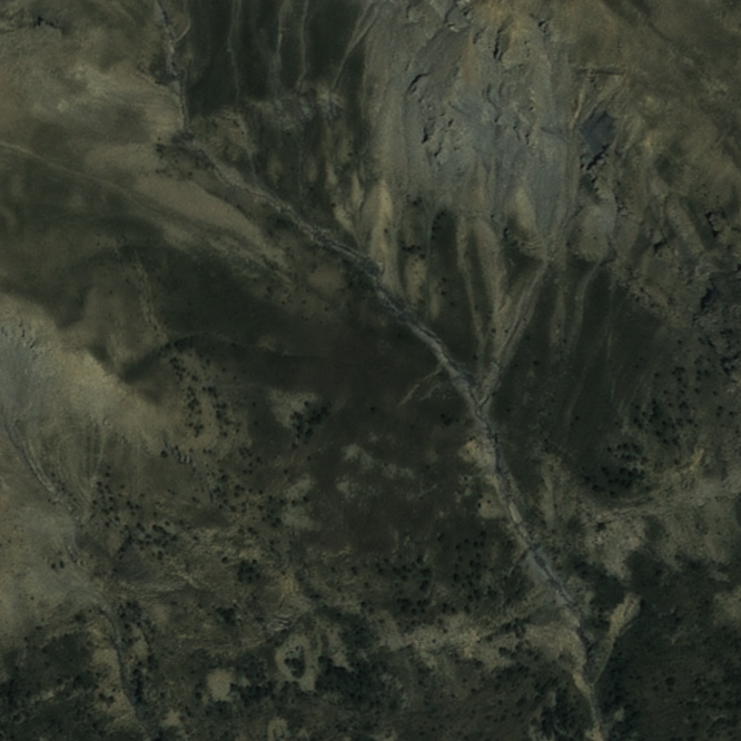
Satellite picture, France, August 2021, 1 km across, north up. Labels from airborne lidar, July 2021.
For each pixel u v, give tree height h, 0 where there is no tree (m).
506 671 6
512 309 0
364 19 0
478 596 16
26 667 0
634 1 0
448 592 0
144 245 0
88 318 0
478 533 0
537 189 0
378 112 0
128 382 0
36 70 0
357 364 0
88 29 0
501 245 0
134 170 0
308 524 0
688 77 0
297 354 0
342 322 0
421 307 0
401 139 0
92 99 0
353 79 0
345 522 0
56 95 0
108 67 0
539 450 0
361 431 0
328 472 0
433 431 0
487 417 0
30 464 0
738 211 0
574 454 0
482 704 0
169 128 0
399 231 0
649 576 0
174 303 0
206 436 0
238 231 0
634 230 0
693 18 0
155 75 0
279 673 0
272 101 0
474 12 0
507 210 0
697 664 0
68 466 0
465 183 0
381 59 0
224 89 0
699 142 0
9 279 0
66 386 0
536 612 0
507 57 0
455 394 0
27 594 0
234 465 0
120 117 0
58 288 0
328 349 0
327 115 0
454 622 0
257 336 0
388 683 10
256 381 0
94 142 0
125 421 0
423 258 8
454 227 0
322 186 0
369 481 0
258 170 0
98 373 0
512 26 0
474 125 0
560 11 0
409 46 0
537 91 0
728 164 0
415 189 0
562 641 0
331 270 0
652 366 0
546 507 0
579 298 0
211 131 0
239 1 0
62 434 0
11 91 0
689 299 0
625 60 0
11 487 0
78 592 0
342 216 0
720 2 0
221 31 0
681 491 0
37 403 0
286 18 0
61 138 0
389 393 0
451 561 0
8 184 0
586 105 0
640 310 0
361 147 0
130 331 0
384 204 0
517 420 0
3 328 0
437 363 0
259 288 0
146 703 12
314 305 0
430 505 0
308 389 0
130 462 0
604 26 0
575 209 0
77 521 0
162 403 0
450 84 0
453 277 0
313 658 0
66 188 0
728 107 0
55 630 0
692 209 0
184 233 0
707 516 0
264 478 0
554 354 0
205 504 0
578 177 0
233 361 0
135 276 0
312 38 0
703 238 0
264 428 0
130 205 0
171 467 0
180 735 0
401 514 0
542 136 0
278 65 0
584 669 0
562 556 0
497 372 0
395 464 0
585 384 0
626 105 0
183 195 0
